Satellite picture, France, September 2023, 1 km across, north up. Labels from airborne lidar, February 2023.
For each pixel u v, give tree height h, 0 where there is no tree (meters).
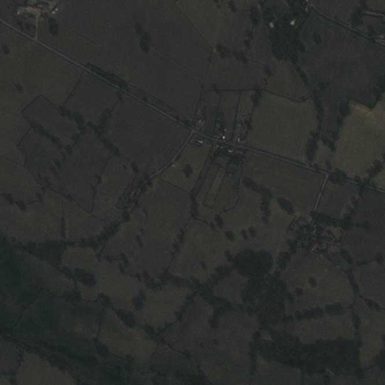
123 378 0
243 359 0
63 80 0
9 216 0
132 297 0
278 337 21
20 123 0
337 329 0
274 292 22
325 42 0
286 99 0
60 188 0
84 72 0
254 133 0
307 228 14
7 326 0
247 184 20
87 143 0
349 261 16
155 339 0
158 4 0
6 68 0
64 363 19
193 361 0
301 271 0
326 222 14
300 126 0
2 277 0
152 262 0
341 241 8
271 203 0
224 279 0
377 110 0
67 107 0
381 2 0
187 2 0
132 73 0
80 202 0
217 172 0
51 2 0
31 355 0
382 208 0
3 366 0
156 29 0
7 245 21
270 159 0
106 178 0
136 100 0
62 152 0
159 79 0
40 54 0
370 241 0
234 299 0
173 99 0
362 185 11
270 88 0
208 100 0
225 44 0
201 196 0
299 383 0
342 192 0
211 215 0
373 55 0
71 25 0
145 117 0
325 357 20
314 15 0
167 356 0
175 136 0
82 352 0
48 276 0
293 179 0
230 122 0
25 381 0
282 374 0
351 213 20
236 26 0
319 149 0
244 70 0
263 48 0
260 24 0
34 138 0
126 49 0
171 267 0
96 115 0
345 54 0
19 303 0
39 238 0
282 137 0
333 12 0
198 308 0
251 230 11
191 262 0
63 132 0
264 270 20
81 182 0
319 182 0
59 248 20
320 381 0
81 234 0
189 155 0
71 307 0
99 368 0
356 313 0
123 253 0
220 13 0
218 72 0
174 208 0
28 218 0
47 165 0
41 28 0
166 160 0
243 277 0
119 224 14
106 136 0
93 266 0
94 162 0
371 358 0
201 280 0
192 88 0
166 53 0
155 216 0
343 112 18
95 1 0
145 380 0
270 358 22
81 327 0
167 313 0
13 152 0
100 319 0
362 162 0
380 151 0
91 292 0
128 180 0
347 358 20
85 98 0
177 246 17
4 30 0
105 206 0
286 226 0
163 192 0
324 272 0
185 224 0
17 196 0
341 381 0
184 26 0
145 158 0
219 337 0
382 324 0
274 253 0
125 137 0
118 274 0
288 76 0
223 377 0
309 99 0
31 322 0
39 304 0
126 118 0
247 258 21
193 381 8
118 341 0
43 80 0
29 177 0
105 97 0
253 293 18
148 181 21
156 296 0
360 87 0
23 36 0
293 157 0
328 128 0
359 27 0
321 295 0
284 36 21
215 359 0
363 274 0
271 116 0
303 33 0
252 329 0
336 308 19
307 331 0
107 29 0
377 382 0
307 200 0
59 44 0
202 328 0
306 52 0
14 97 0
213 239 0
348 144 0
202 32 0
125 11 0
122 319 19
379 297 0
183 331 0
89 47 0
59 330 0
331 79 0
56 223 0
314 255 0
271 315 21
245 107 0
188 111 0
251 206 0
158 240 0
